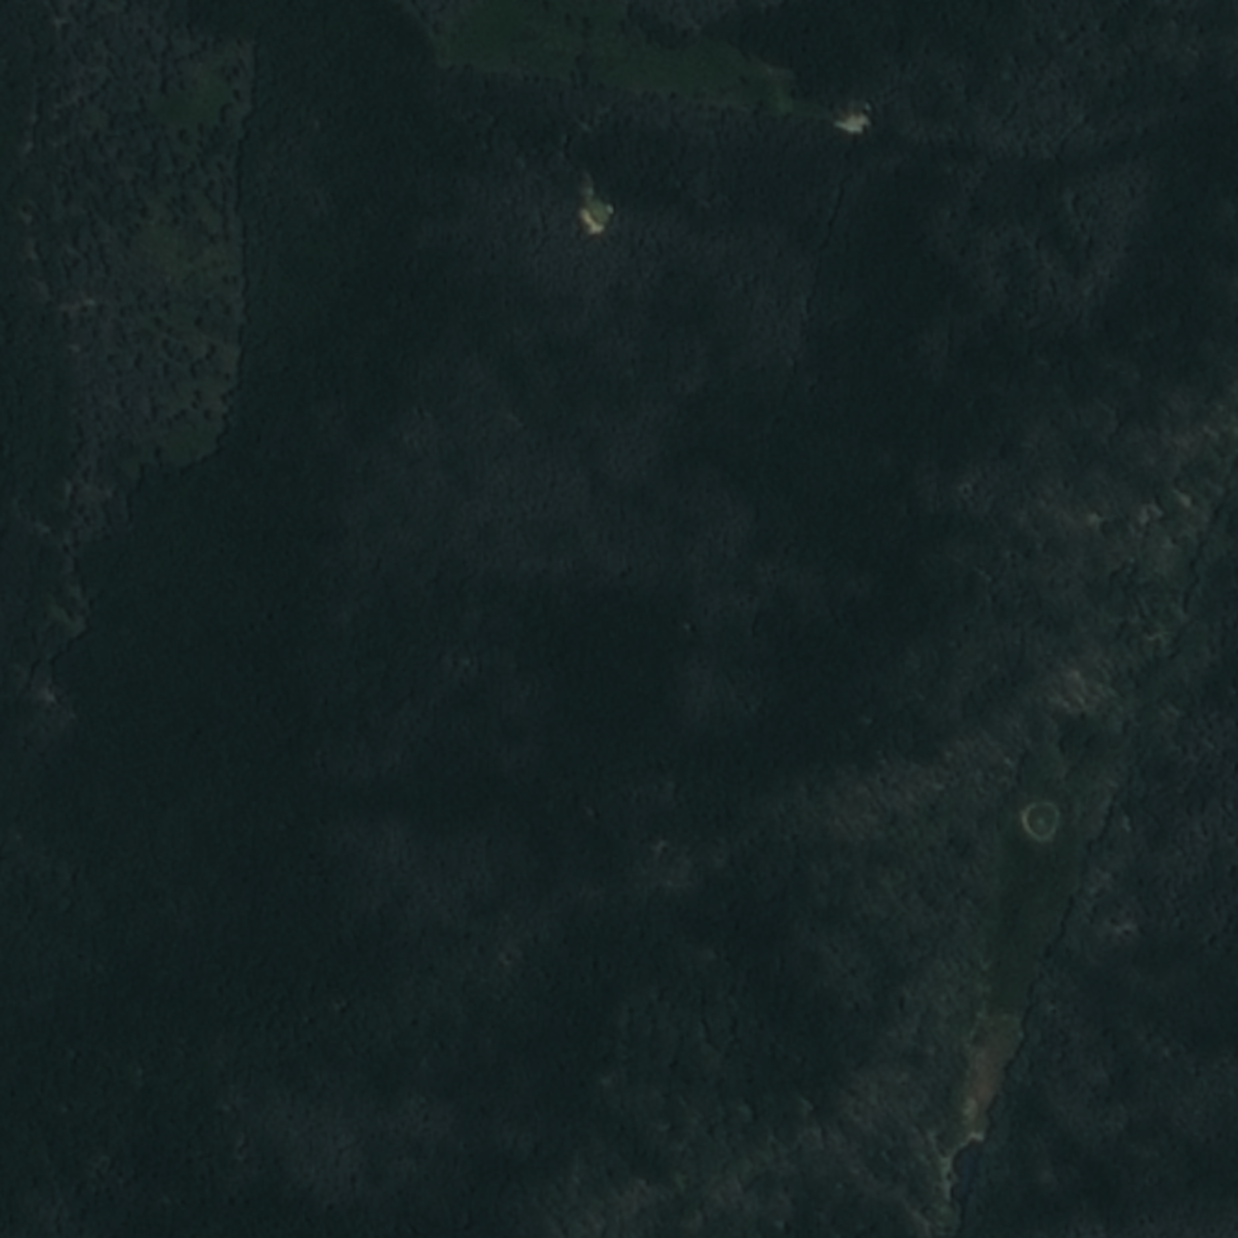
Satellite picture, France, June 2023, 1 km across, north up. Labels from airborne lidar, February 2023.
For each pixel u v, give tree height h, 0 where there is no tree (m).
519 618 17
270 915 21
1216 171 22
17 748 20
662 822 21
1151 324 20
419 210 19
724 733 18
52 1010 18
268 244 15
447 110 18
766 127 16
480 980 21
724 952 26
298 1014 21
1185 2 22
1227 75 20
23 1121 22
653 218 16
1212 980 25
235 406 20
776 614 20
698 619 17
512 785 22
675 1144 25
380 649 20
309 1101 21
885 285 23
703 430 21
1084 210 19
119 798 24
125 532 15
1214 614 22
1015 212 21
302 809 23
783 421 18
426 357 18
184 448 0
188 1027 22
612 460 15
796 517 20
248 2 20
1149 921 20
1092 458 21
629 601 17
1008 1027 0
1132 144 21
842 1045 22
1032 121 18
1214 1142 23
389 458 18
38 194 19
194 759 25
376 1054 22
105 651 21
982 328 19
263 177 18
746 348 19
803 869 22
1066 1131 21
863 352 22
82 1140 18
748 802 21
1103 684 21
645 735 22
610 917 23
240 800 21
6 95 19
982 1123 0
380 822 20
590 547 18
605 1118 25
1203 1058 24
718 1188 27
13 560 18
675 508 18
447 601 20
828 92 18
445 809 21
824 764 22
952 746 21
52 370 18
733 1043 25
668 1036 23
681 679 18
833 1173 25
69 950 21
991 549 19
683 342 19
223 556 23
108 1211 18
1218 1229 16
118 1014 22
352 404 19
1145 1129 21
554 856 24
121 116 21
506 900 21
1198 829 17
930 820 18
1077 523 20
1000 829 17
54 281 19
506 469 16
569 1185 22
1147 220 20
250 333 17
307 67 18
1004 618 19
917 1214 26
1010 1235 22
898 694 21
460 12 18
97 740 21
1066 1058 19
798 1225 25
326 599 19
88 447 18
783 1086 25
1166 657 19
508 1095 24
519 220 20
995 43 22
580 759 23
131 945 21
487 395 16
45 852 19
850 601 20
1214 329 22
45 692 17
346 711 18
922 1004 24
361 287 21
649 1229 25
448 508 18
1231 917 20
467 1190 18
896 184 19
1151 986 23
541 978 21
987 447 19
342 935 19
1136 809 20
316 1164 20
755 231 17
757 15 20
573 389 16
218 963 15
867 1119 22
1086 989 20
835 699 18
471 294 21
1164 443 21
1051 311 15
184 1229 20
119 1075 19
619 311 16
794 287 13
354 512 18
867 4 23
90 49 18
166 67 15
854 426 25
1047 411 20
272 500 21
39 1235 20
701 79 0
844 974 18
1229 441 21
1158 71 20
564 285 16
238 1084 20
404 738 17
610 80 0
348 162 18
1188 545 20
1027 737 22
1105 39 21
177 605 24
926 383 22
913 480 21
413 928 19
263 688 21
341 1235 23
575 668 21
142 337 8
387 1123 23
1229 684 20
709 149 18
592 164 19
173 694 24
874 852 22
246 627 22
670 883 23
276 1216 23
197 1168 21
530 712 18
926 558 22
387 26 19
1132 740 15
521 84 15
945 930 16
